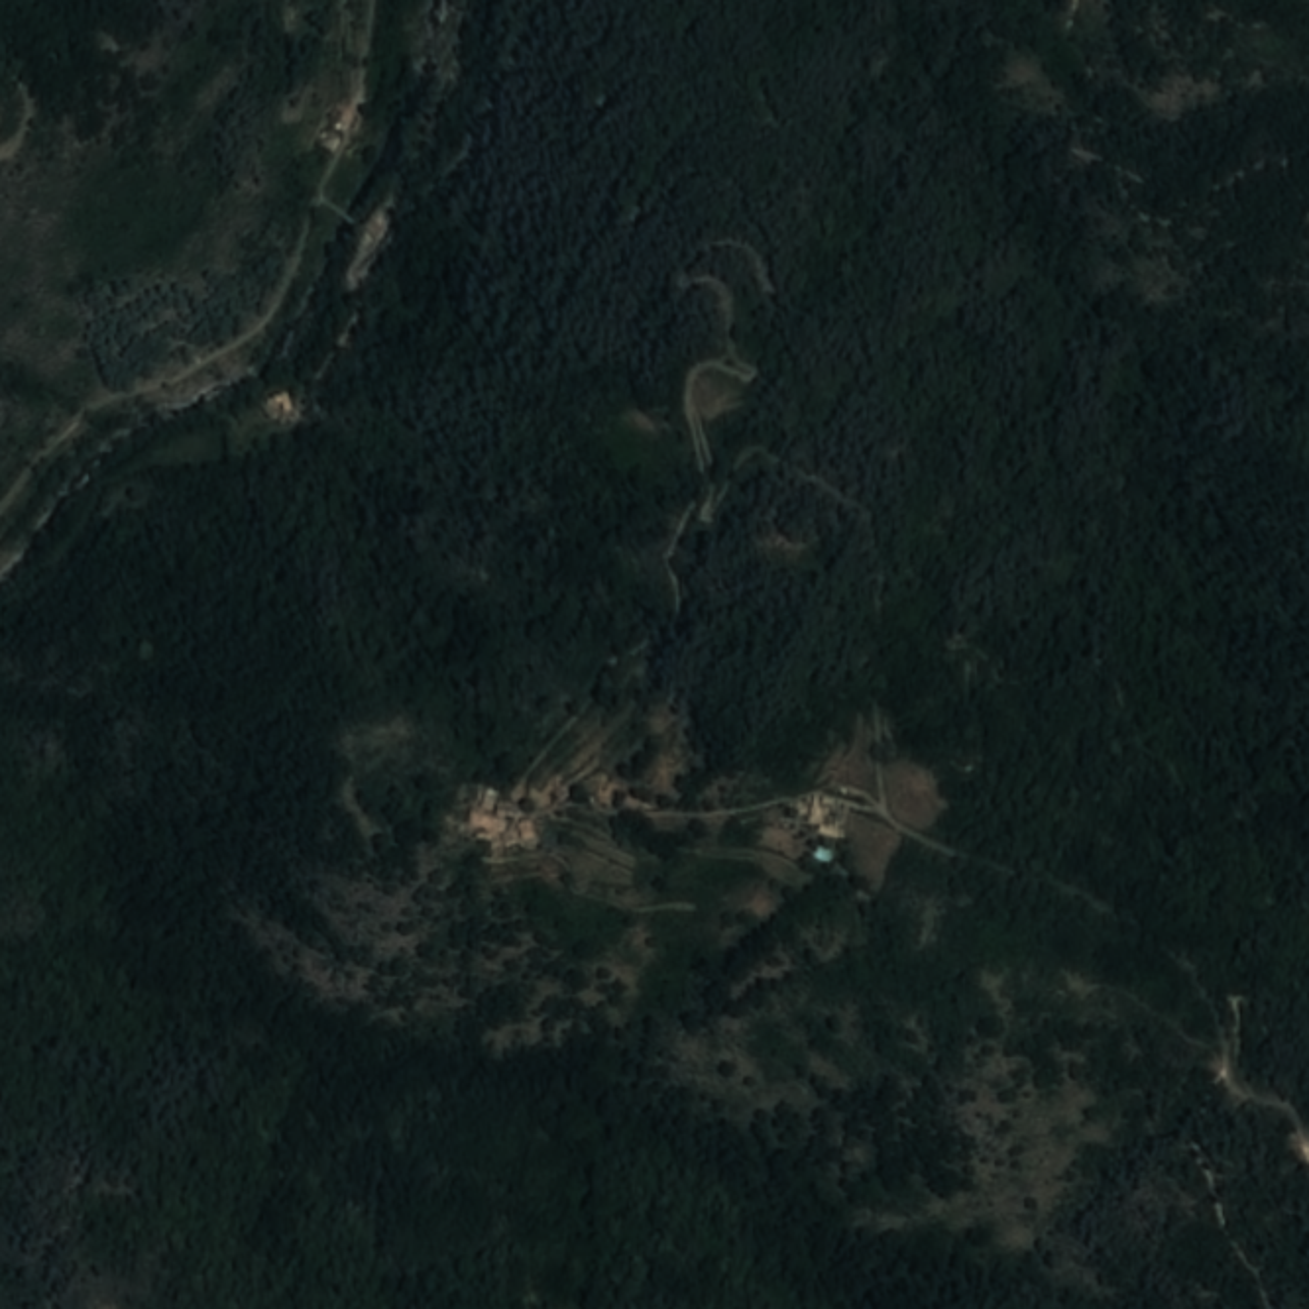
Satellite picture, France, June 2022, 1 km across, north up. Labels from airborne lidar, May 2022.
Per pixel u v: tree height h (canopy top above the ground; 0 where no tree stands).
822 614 19
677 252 17
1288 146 7
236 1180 15
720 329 14
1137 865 12
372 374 11
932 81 10
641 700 10
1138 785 19
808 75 17
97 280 8
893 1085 11
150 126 7
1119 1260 12
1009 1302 17
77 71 7
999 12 8
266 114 28
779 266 22
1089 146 10
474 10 10
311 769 16
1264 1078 15
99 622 10
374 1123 9
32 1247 14
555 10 15
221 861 14
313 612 14
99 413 6
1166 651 20
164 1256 7
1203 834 19
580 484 12
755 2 17
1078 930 8
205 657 13
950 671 12
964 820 7
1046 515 19
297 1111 19
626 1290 13
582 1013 10
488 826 0
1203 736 14
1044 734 14
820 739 7
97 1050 16
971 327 20
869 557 19
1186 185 7
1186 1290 11
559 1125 18
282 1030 22
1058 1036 10
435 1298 11
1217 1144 8
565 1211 10
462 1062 10
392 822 10
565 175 24
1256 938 21
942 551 16
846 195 14
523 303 16
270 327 8
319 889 12
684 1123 21
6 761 17
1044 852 9
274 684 12
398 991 9
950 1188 15
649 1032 9
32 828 17
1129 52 15
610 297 25
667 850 14
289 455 13
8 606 9
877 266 20
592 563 6
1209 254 13
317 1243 10
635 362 13
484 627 8
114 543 9
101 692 13
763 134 17
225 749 10
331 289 15
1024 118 16
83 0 17
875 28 10
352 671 10
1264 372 7
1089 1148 7
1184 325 10
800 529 18
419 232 13
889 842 0
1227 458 17
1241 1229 10
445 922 6
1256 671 17
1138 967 6
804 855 7
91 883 21
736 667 19
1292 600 15
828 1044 6
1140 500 8
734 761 19
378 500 18
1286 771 7
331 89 0
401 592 17
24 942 10
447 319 13
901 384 11
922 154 17
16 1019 12
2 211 0
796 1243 18
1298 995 16
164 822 7
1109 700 15
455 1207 6
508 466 17
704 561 20
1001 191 12
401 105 18
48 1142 14
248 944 10
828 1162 12
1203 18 9
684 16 17
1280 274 7
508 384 15
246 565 11
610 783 0
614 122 21
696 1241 10
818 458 12
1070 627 22
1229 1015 7
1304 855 6
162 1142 17
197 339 16
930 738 8
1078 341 8
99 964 19
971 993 8
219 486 9
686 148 16
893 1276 22
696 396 0
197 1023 13
